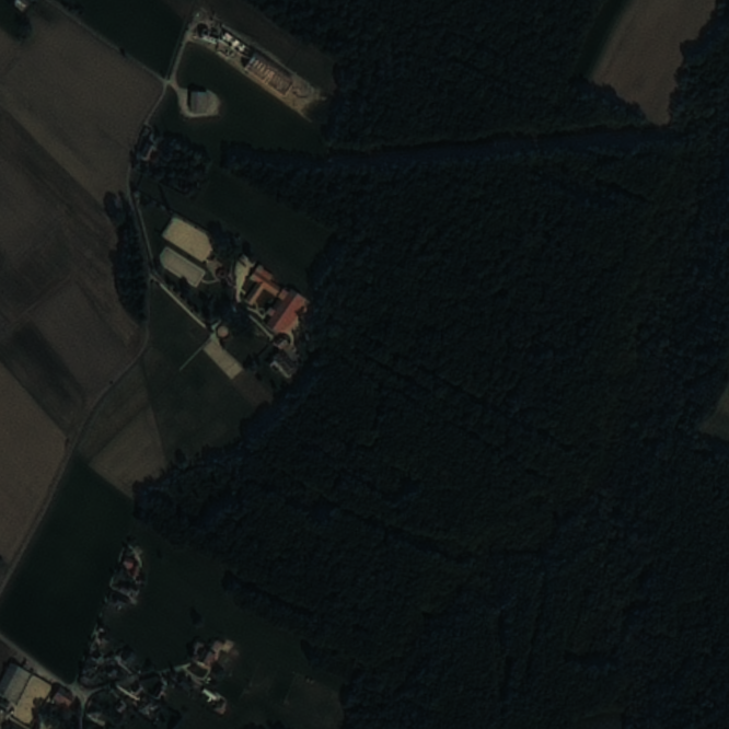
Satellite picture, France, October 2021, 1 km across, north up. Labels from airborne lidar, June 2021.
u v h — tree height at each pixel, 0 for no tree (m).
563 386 24
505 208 25
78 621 0
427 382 21
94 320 0
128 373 0
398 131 21
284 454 24
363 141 19
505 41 21
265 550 20
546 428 20
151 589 0
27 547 0
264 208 0
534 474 16
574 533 24
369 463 17
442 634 24
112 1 0
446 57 21
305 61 0
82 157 0
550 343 17
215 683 6
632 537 35
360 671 8
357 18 18
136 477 0
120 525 0
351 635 23
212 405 0
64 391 0
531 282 22
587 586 17
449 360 21
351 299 25
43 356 0
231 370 0
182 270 0
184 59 0
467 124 21
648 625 24
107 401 0
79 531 0
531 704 27
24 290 0
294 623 16
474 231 26
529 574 22
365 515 21
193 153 14
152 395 0
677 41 0
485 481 23
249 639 0
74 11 8
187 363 0
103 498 0
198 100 0
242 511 22
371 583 23
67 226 0
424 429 27
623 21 0
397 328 22
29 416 0
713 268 22
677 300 11
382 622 25
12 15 0
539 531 21
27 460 0
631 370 20
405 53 16
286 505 21
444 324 22
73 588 0
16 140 0
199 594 0
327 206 23
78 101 0
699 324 17
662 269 17
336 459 13
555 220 24
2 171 0
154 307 0
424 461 26
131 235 16
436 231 14
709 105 21
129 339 0
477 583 21
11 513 0
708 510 26
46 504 0
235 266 0
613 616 18
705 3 0
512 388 12
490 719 20
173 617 0
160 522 17
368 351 19
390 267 22
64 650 0
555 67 23
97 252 0
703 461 21
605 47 0
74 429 0
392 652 27
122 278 9
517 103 25
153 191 0
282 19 17
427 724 21
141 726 0
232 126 0
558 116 20
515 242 21
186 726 0
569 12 24
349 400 22
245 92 0
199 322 0
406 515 25
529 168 20
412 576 23
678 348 16
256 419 0
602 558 21
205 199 0
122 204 0
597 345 23
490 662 20
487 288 27
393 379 18
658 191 23
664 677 15
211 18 0
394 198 26
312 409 15
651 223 20
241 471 17
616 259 21
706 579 22
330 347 21
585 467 26
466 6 23
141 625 0
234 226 0
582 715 17
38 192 0
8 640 0
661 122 0
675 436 19
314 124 0
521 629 23
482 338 26
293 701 0
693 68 16
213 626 0
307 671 0
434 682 23
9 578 0
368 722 19
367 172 16
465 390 25
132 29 0
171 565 0
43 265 0
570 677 23
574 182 9
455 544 9
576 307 22
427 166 20
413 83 22
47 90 0
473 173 25
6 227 0
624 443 19
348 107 18
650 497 26
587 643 10
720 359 20
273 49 0
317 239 0
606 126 21
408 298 22
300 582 24
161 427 0
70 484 0
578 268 23
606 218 28
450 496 25
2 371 0
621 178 25
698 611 15
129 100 0
